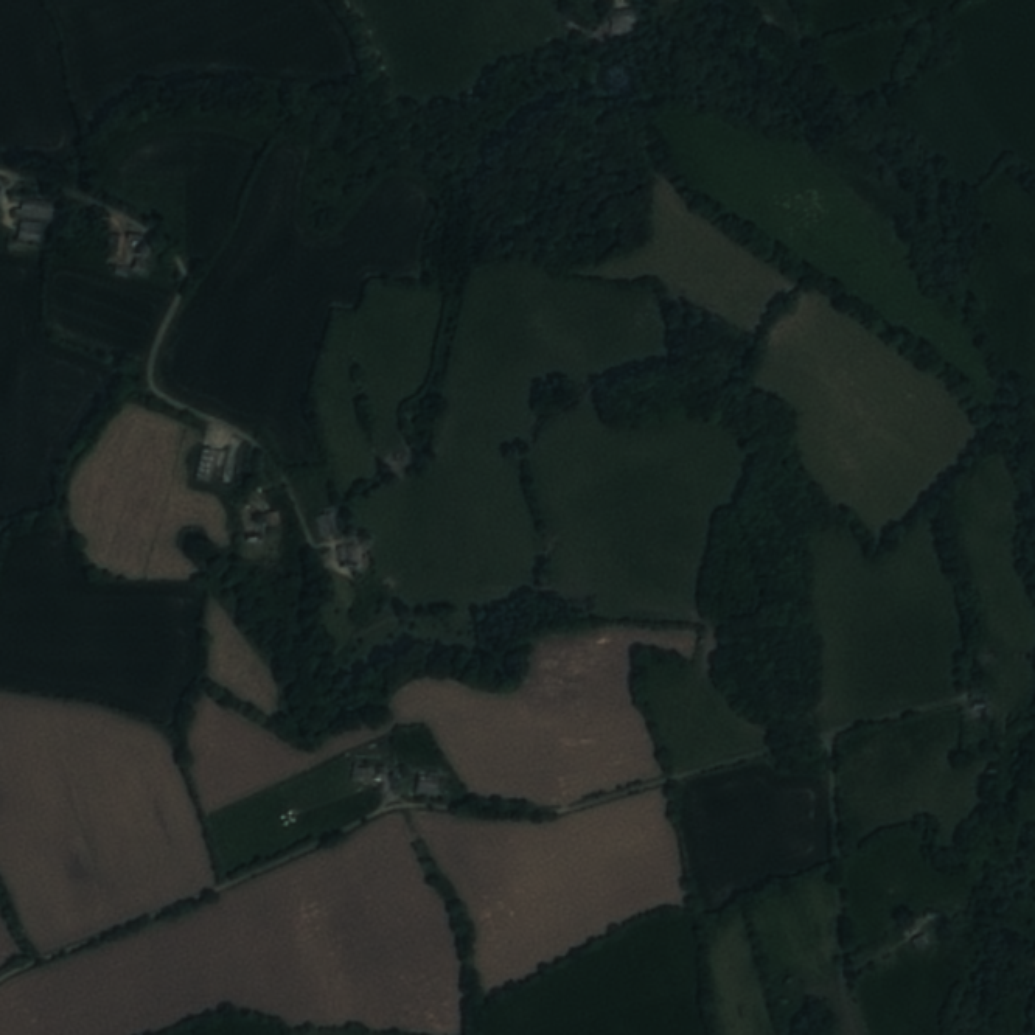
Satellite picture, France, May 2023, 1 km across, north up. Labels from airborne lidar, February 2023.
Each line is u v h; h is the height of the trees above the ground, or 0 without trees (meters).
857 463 0
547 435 0
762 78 28
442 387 9
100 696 0
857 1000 6
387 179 0
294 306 0
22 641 0
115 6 0
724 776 0
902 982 0
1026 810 0
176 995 0
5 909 6
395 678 19
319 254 0
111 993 0
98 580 12
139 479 0
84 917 0
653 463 0
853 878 0
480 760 0
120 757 0
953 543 26
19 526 16
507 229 17
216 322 0
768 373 0
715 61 9
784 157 0
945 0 0
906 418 0
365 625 0
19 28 0
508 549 0
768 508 20
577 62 19
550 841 0
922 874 0
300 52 0
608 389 23
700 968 7
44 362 0
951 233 18
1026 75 0
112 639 0
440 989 0
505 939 0
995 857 0
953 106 0
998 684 0
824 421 0
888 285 0
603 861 0
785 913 0
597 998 0
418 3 0
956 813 0
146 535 0
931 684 0
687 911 7
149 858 0
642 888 0
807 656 19
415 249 0
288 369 0
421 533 0
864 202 0
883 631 0
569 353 0
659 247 0
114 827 0
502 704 0
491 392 0
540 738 0
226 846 0
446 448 0
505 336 0
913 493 0
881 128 6
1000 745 9
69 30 0
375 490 11
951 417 0
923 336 0
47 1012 0
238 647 0
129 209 13
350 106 12
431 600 0
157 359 0
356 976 0
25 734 0
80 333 0
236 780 0
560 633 13
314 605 16
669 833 0
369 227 0
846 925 15
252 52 0
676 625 6
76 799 0
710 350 23
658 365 18
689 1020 0
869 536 11
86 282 0
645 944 0
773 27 9
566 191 17
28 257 0
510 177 24
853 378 0
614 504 0
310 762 0
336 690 19
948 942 29
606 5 14
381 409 0
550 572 18
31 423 0
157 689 0
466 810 13
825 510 22
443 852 0
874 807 0
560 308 0
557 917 0
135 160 0
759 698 18
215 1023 15
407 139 9
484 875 0
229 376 0
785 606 19
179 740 8
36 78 0
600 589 0
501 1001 13
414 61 0
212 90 25
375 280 6
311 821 0
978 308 21
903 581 0
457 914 13
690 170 0
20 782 0
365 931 0
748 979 0
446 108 20
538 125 29
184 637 0
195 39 0
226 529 0
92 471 0
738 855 0
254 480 15
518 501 0
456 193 10
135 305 0
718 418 26
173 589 0
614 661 0
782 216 0
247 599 18
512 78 12
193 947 0
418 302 0
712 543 10
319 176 0
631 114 23
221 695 13
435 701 0
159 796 0
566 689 0
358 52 18
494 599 0
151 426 0
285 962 0
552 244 18
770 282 0
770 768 0
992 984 19
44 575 0
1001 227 0
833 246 0
